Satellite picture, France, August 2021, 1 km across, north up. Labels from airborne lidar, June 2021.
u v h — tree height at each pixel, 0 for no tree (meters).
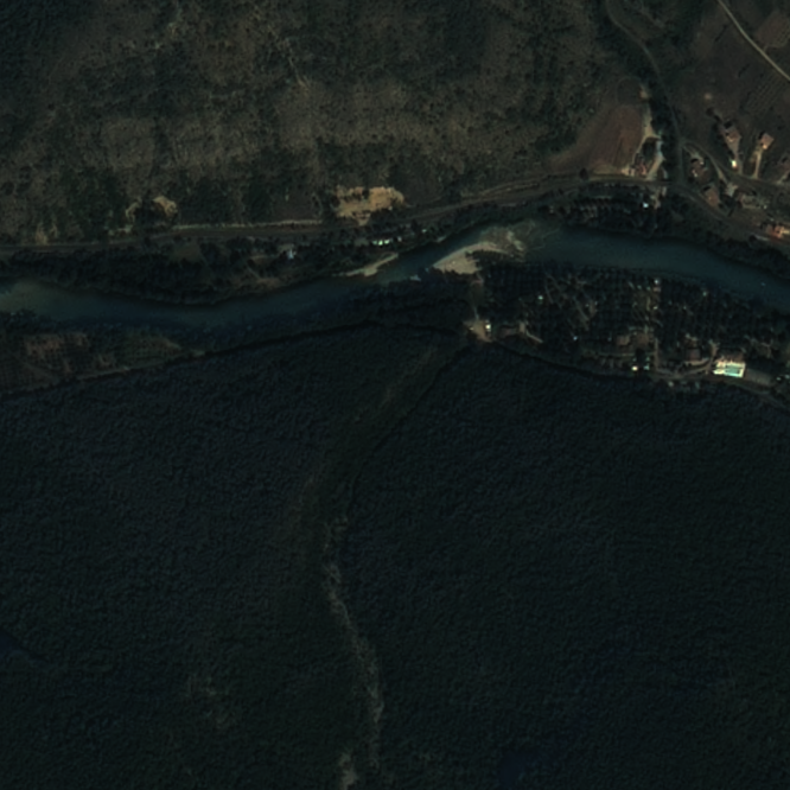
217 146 0
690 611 13
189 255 0
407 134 0
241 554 9
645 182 0
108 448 11
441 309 18
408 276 0
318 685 8
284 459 16
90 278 14
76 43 0
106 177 7
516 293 14
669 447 12
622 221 11
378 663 7
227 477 13
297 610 9
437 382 11
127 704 7
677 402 14
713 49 0
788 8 0
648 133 0
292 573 12
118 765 13
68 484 8
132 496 7
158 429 8
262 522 12
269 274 8
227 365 17
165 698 7
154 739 10
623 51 10
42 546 9
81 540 9
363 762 6
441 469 9
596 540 9
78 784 10
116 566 9
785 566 10
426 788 9
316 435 21
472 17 8
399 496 8
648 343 0
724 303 10
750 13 0
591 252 0
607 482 10
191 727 10
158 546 11
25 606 7
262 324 14
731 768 13
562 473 13
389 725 11
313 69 10
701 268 0
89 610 7
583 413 14
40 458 6
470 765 11
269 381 16
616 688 8
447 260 0
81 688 10
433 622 7
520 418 12
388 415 11
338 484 12
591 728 13
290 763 10
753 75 0
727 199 8
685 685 9
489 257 0
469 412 12
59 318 0
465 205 0
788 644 11
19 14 6
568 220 12
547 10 6
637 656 7
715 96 0
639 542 9
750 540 8
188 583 8
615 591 7
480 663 9
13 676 6
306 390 11
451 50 7
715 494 13
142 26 0
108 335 13
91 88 8
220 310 0
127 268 15
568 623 7
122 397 8
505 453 10
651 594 10
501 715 9
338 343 12
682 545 9
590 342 13
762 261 19
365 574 12
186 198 6
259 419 17
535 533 7
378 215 11
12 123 7
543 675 8
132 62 7
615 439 15
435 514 7
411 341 9
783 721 12
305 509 8
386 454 11
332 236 10
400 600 9
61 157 11
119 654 6
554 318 11
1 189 7
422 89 6
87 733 10
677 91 0
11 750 6
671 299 11
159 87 6
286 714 11
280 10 8
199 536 10
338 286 0
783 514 10
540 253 0
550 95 7
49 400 8
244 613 12
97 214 6
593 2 6
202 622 8
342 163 6
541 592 7
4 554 8
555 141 8
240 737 8
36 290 0
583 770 10
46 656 9
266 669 9
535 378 13
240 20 0
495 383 9
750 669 13
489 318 16
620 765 8
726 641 9
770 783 19
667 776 10
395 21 0
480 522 8
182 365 13
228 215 7
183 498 8
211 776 12
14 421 8
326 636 11
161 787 10
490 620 7
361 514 11
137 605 10
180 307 0
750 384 0
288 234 0
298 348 15
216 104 9
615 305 10
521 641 8
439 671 6
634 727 7
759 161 0
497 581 8
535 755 8
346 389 8
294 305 0
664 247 0
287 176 6
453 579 8
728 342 12
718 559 9
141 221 17
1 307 0
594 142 0
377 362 10
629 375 15
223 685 8
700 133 0
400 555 7
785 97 0
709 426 17
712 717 14
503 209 6
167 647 8
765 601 8
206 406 19
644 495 12
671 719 6
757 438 13
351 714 10
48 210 7
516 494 9
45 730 13
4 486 8
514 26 7
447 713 8
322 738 10
